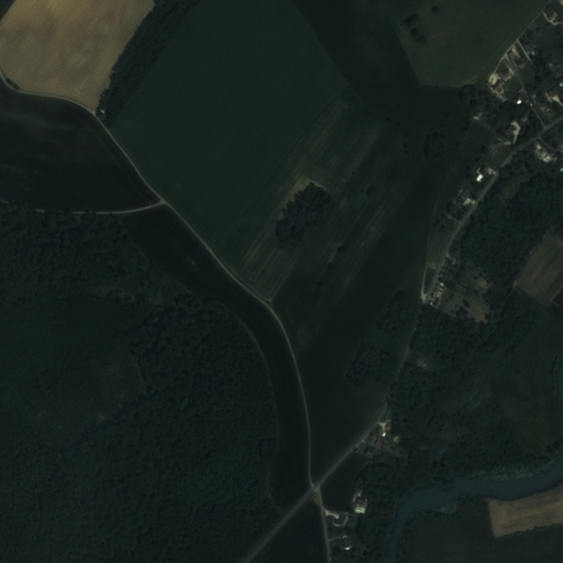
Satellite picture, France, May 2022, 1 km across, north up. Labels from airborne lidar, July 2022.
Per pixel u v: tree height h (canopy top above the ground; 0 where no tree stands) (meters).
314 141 0
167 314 23
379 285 0
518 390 0
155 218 0
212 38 0
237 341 21
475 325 26
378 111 0
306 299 0
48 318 13
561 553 0
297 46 0
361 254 0
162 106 0
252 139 0
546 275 0
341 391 0
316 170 0
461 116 0
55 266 26
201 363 22
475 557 0
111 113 18
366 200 0
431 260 0
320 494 0
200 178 0
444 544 0
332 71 0
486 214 19
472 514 0
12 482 18
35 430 14
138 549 24
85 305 11
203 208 0
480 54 0
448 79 0
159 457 20
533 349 0
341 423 0
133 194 0
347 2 0
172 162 0
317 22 0
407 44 0
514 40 0
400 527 0
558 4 0
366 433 0
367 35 0
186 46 0
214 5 0
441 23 0
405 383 20
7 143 0
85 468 27
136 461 24
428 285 0
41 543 27
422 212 0
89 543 24
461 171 0
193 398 23
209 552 20
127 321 11
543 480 0
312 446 0
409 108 0
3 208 24
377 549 22
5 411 15
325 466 0
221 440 24
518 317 12
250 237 0
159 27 17
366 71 0
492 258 14
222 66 0
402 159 0
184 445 26
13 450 16
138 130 0
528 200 23
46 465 20
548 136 6
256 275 0
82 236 31
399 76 0
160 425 27
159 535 25
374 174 0
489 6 0
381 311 0
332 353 0
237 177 0
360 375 26
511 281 8
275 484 0
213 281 0
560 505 0
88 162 0
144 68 18
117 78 16
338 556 21
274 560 0
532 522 0
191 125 0
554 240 0
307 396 0
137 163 0
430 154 16
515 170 14
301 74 0
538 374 0
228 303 0
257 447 16
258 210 0
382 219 0
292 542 0
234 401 21
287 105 0
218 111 0
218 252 0
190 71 0
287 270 0
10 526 22
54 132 0
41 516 21
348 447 0
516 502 0
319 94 0
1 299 25
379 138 0
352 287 0
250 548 17
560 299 0
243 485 15
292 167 0
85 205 0
